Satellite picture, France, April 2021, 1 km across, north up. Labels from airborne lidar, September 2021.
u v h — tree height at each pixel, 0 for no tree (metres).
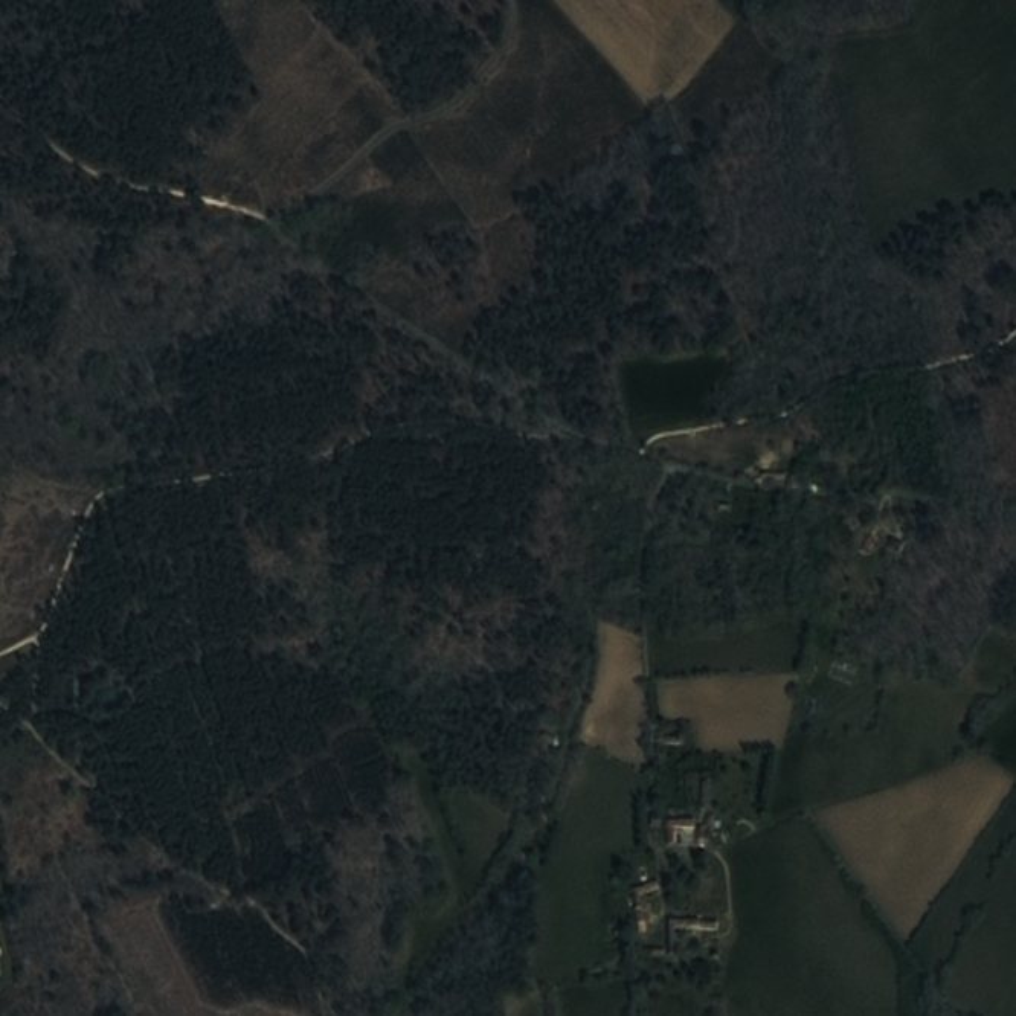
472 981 25
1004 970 0
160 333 15
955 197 0
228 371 20
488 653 15
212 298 15
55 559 0
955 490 15
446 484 19
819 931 0
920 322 13
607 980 12
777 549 17
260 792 23
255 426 21
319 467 17
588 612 22
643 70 0
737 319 20
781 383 12
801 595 28
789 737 0
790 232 20
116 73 23
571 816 0
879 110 0
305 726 23
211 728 17
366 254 8
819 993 0
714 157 19
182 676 16
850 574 13
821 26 17
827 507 20
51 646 19
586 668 16
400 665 20
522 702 24
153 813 21
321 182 0
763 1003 0
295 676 29
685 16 0
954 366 10
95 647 18
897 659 15
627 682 0
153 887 20
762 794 9
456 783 24
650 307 13
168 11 22
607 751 9
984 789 0
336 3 26
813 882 0
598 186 15
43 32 7
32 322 21
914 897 0
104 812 26
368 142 0
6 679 0
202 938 10
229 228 18
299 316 18
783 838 0
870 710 0
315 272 17
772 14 23
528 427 11
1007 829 0
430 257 10
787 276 17
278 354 19
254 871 12
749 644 0
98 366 20
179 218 17
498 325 24
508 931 24
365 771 11
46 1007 9
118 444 19
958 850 0
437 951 6
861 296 19
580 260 27
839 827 0
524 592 23
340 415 18
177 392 11
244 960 11
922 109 0
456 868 0
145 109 21
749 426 9
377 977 13
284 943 13
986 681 0
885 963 0
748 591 18
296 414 20
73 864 18
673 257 19
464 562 24
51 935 10
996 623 16
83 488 9
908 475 11
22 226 9
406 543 22
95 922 27
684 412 0
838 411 14
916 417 17
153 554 20
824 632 10
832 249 18
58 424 19
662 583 14
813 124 19
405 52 28
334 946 20
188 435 19
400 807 11
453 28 22
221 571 19
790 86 23
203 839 20
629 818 0
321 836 6
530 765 22
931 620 13
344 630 17
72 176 8
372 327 6
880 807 0
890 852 0
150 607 13
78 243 12
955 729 0
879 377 12
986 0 0
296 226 20
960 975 0
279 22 0
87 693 15
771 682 0
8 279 17
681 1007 0
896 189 0
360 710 18
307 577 21
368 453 19
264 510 23
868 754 0
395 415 8
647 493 16
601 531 11
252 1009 0
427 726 24
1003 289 25
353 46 22
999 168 0
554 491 16
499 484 20
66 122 18
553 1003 18
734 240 15
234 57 24
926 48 0
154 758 17
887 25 22
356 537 24
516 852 22
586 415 18
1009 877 0
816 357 13
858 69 0
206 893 9
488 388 16
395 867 17
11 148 17
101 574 17
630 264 23
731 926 0
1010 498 15
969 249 12
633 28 0
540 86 0
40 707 16
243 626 22
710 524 15
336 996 19
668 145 16
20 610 0
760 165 10
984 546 14
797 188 19
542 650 25
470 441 17
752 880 0
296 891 22
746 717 0
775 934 0
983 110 0
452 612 22
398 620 16
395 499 22
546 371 18
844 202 7
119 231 20
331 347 24
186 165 24
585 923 0
